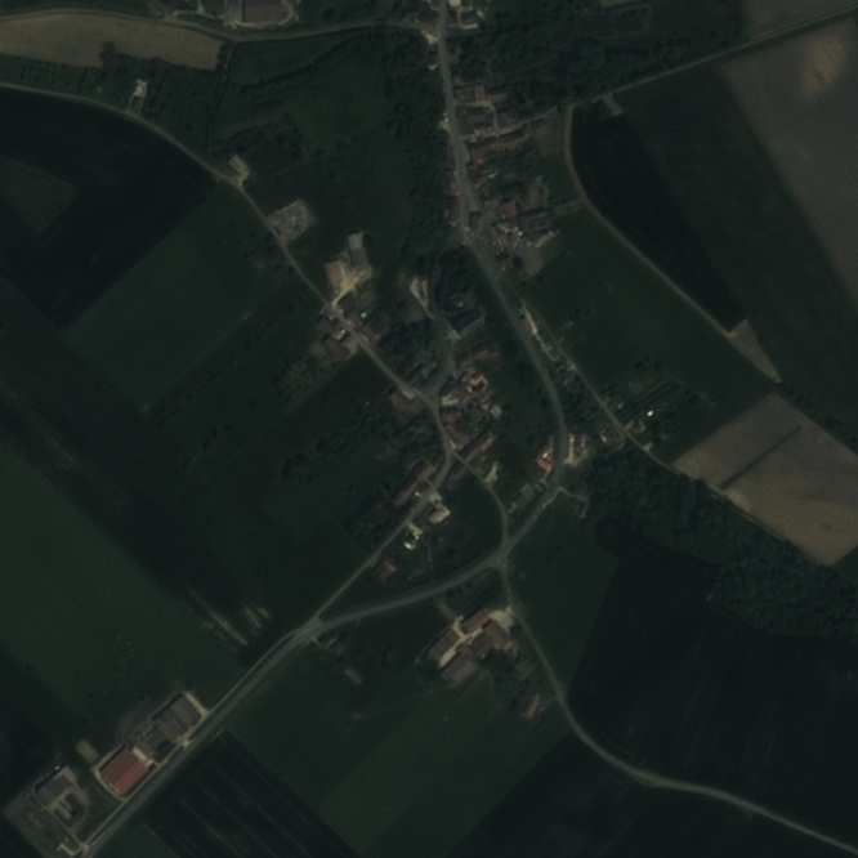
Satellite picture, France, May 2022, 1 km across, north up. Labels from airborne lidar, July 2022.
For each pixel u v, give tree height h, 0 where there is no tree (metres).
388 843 0
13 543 0
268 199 0
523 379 14
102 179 0
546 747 0
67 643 0
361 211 0
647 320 0
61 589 0
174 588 0
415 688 0
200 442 0
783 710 0
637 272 0
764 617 25
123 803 0
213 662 0
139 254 0
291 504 0
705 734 0
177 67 9
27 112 0
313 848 0
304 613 0
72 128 0
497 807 0
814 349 0
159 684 0
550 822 0
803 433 0
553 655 0
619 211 0
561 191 0
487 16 0
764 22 0
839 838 0
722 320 0
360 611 0
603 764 0
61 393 0
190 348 0
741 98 0
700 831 0
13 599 0
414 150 11
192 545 0
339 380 0
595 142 0
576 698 0
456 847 0
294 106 0
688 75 0
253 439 0
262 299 0
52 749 0
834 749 0
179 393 0
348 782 0
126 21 0
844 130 0
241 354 0
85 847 0
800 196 0
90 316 0
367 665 0
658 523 16
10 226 0
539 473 0
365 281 0
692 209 0
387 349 7
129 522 0
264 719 0
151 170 0
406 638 0
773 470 0
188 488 0
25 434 0
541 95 19
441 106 12
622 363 0
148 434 0
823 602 29
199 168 0
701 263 0
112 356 0
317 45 0
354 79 0
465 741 0
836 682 0
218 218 0
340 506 0
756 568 19
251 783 0
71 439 0
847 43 0
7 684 0
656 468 6
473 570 0
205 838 0
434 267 8
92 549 0
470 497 0
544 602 0
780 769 0
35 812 0
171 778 0
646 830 0
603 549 0
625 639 0
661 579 0
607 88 10
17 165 0
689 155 0
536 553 0
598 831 0
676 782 0
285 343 0
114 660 0
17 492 0
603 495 17
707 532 17
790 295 0
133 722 0
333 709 0
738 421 0
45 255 0
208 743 0
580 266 0
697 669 0
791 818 0
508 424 8
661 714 0
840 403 0
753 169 0
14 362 0
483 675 0
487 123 0
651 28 0
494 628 0
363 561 0
